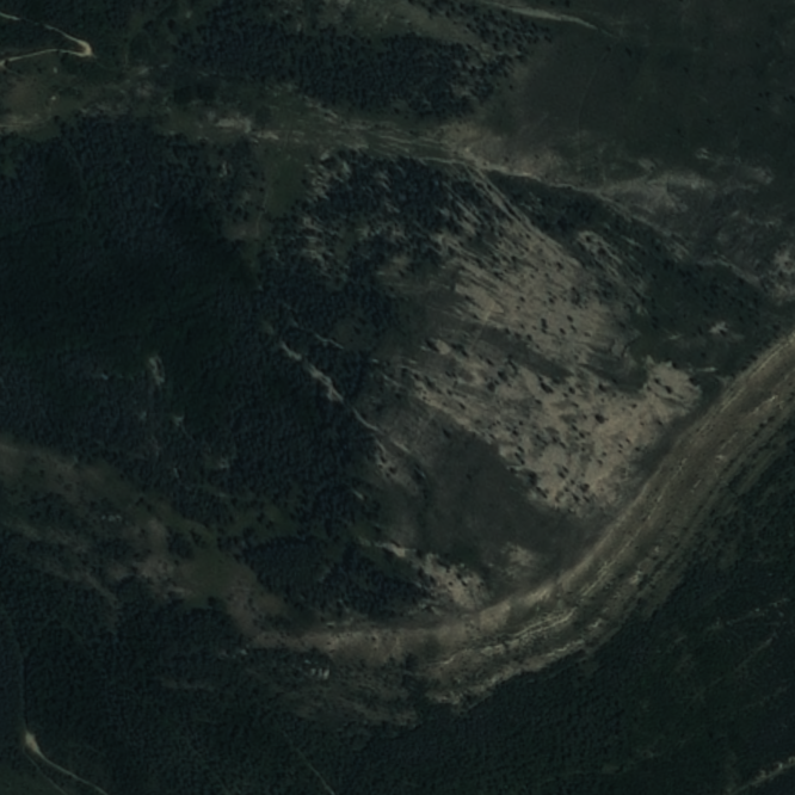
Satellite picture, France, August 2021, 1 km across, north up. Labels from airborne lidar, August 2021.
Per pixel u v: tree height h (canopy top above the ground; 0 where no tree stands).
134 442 10
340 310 10
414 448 0
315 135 0
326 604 10
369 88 6
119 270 17
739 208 0
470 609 0
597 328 0
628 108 0
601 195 0
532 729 20
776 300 0
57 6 16
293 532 0
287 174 0
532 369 0
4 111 0
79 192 15
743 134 0
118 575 0
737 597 7
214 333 15
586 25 0
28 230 12
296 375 19
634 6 0
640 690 8
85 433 7
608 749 14
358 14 0
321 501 12
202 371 14
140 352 9
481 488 0
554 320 0
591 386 0
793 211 0
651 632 10
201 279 15
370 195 8
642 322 0
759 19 0
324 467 13
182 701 7
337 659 0
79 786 8
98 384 11
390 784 18
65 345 16
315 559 21
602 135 0
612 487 0
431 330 0
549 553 0
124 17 13
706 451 0
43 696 10
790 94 0
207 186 10
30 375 12
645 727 7
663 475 0
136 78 0
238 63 15
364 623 0
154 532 0
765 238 0
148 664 7
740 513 7
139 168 11
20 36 14
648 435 0
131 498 0
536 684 12
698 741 7
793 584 8
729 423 0
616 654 11
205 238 17
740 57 0
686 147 0
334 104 11
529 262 0
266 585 8
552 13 0
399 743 13
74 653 10
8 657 16
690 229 0
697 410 0
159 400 13
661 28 0
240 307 11
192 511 10
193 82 0
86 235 14
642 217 0
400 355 0
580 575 0
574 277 0
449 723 12
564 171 0
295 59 9
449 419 0
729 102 0
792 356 0
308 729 19
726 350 0
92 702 10
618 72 0
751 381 0
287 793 6
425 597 8
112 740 7
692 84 0
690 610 16
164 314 14
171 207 12
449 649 0
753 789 7
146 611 14
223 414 8
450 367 0
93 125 13
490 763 22
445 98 8
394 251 10
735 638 6
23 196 19
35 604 17
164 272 18
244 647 7
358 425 11
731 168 0
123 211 10
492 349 0
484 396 0
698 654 9
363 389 10
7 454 0
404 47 6
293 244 7
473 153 0
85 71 8
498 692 9
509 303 0
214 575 0
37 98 0
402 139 0
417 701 9
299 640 0
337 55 6
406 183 12
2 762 10
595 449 0
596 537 0
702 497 0
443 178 8
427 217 9
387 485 0
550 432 0
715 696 5
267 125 0
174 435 11
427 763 13
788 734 8
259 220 0
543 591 0
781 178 0
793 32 0
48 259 14
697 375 0
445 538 0
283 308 10
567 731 20
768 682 7
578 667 15
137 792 7
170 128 0
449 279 0
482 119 0
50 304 13
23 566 15
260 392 18
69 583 9
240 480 9
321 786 6
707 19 0
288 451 15
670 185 0
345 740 10
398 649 0
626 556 0
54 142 6
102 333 16
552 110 0
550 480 0
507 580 0
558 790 6
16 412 10
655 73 0
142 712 18
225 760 16
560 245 0
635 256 0
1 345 11
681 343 0
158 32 7
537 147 0
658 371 0
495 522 0
